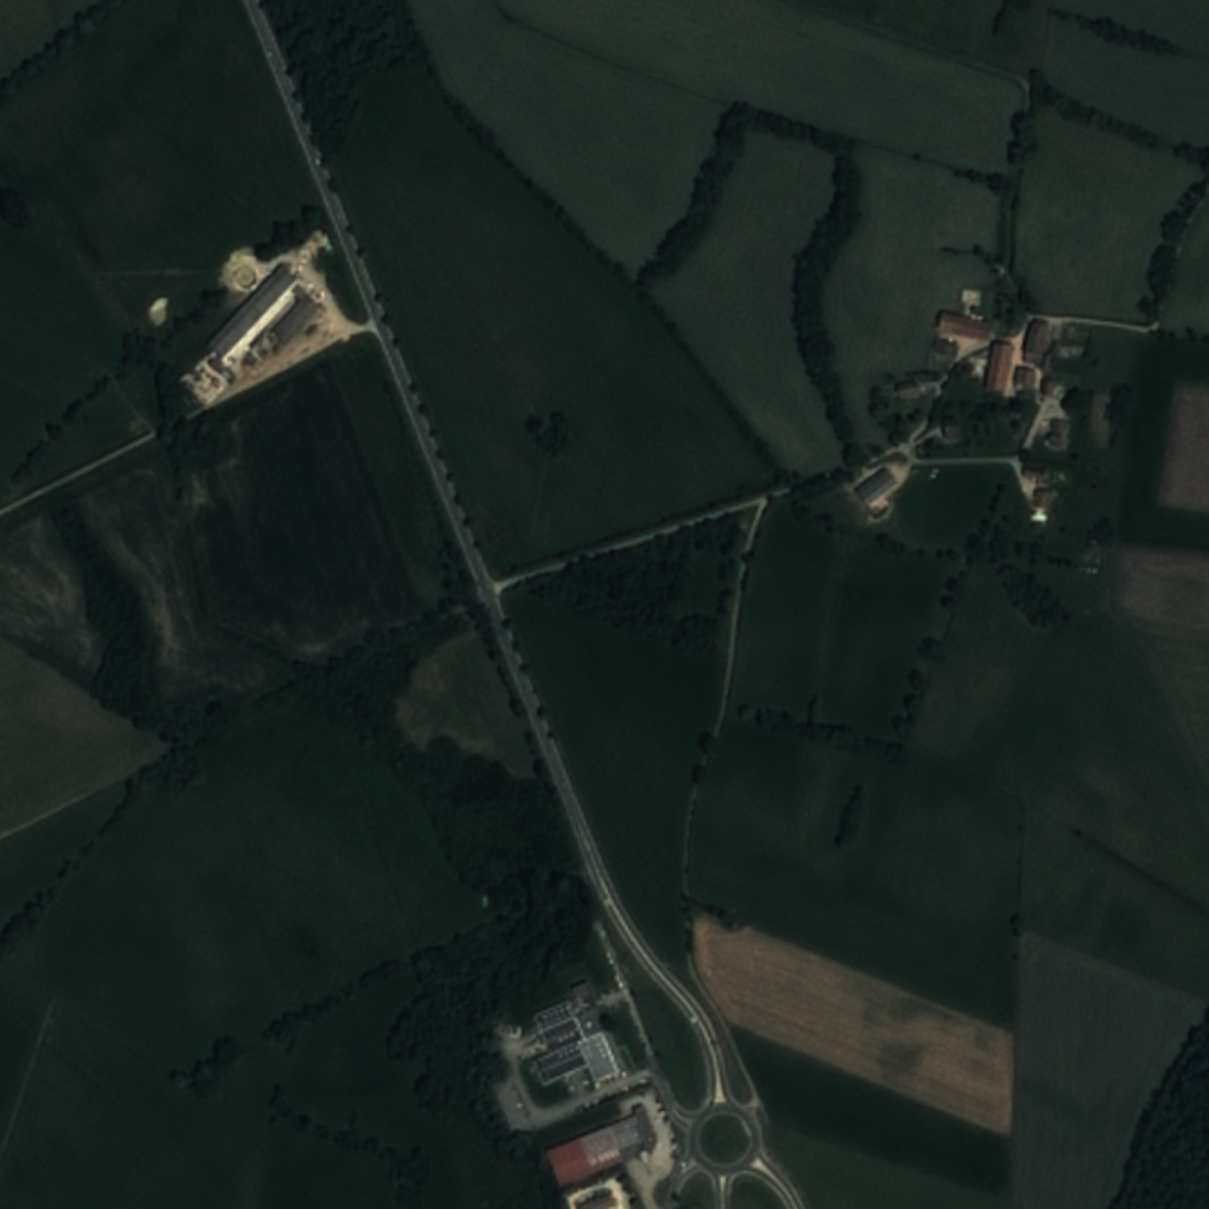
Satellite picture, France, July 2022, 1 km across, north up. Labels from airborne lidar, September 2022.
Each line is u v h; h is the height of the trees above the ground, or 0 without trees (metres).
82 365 0
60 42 16
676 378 0
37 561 0
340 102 17
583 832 0
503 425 0
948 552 8
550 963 17
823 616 0
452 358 0
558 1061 0
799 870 0
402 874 0
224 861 0
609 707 0
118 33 0
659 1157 0
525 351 0
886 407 14
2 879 0
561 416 13
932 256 0
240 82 0
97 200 0
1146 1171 13
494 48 0
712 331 0
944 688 0
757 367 0
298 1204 0
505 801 8
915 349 0
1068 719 0
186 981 0
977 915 0
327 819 0
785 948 0
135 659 14
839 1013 0
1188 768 0
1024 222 0
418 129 0
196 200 0
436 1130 0
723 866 0
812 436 0
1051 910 0
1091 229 0
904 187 0
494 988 11
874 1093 0
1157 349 0
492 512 0
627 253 0
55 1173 0
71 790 0
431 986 16
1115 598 0
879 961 0
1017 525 0
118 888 0
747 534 10
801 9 0
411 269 0
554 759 0
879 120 0
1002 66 0
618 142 0
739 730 0
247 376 0
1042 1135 0
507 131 0
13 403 0
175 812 0
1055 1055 0
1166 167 0
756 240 0
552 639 0
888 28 0
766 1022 0
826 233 18
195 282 0
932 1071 0
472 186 0
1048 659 0
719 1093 0
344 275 0
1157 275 16
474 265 0
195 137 0
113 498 0
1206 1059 24
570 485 0
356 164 0
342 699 7
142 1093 0
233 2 0
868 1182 0
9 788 0
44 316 0
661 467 0
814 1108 0
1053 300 0
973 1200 0
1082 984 0
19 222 25
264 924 0
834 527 18
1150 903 0
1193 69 0
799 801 0
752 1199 0
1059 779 0
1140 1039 0
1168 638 0
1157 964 0
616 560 16
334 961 0
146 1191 0
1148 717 0
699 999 0
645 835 0
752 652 0
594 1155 0
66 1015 0
